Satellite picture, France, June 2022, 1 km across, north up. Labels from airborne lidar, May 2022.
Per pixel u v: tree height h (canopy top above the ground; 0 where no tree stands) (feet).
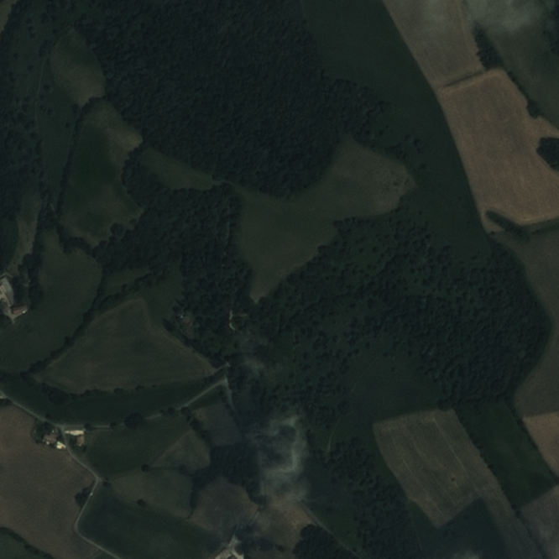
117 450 0
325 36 0
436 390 0
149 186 57
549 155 55
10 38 58
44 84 0
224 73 54
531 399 0
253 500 48
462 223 0
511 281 31
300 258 0
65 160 0
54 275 0
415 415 0
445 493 0
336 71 0
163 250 48
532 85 0
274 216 0
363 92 60
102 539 0
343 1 0
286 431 57
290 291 38
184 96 69
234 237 38
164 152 33
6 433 0
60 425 0
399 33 0
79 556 0
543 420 0
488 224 0
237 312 38
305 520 0
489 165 0
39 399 0
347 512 0
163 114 51
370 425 0
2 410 0
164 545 0
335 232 0
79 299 0
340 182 0
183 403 0
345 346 0
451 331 51
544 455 0
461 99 0
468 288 34
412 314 53
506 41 0
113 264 64
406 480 0
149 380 0
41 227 53
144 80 72
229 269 35
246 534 65
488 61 55
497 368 39
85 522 0
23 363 0
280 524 0
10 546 0
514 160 0
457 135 0
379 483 39
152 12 52
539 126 0
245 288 37
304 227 0
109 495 0
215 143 72
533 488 0
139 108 63
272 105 45
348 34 0
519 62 0
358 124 67
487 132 0
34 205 0
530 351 32
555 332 0
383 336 33
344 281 46
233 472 40
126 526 0
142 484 0
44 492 0
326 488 0
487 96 0
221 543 0
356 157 0
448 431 0
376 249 46
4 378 62
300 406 51
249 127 63
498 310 63
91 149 0
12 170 36
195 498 25
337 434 0
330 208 0
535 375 0
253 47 57
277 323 43
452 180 0
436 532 0
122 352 0
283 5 27
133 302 0
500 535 0
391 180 0
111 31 53
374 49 0
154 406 0
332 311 37
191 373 0
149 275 36
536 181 0
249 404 0
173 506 0
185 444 0
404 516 47
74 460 0
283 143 62
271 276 0
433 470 0
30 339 0
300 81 64
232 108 68
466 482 0
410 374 0
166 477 0
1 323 33
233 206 35
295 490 43
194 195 64
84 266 0
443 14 0
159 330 0
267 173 77
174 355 0
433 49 0
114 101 57
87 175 0
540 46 0
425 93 0
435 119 0
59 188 0
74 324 0
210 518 0
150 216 52
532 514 0
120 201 0
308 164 75
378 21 0
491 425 0
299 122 31
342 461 46
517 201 0
